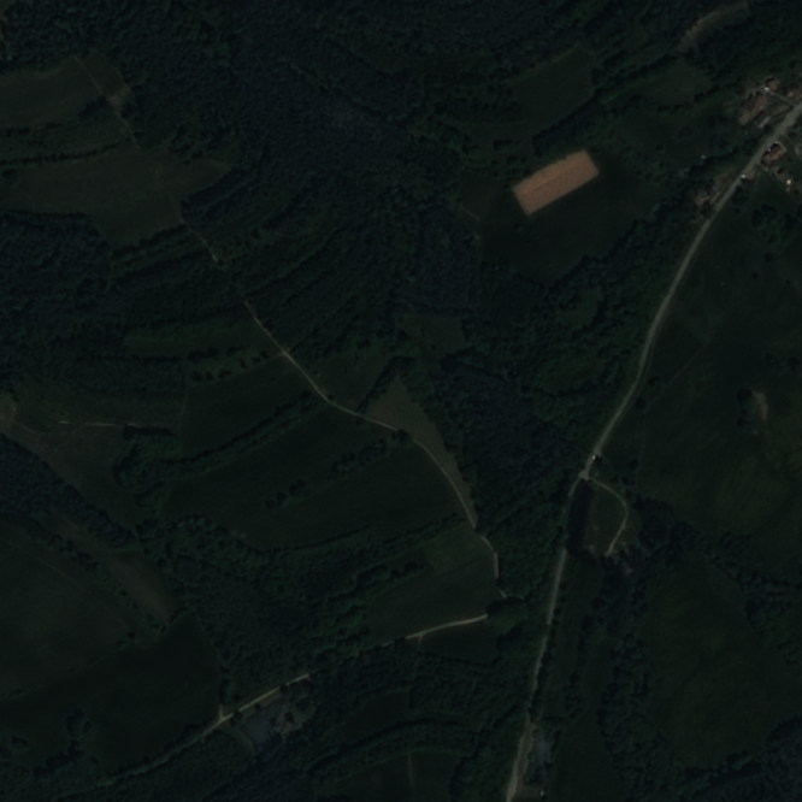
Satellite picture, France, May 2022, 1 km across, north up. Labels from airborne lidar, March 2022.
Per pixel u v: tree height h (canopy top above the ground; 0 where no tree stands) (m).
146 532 15
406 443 16
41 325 16
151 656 0
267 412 0
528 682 20
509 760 18
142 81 22
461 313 25
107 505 0
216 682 0
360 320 15
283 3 25
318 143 25
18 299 23
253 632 21
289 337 9
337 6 19
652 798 20
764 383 0
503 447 17
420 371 20
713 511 0
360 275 10
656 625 0
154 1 22
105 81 0
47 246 23
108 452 0
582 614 0
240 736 0
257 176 25
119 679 0
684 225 22
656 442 0
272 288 8
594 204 0
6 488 25
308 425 0
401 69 6
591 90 0
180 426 0
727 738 0
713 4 24
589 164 0
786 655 12
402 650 13
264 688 19
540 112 0
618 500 0
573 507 0
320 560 8
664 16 25
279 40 21
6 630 0
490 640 0
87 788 24
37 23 23
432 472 0
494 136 0
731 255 0
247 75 34
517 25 20
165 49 29
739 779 26
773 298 0
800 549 0
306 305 10
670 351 0
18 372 14
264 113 28
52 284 21
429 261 26
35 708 0
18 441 0
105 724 0
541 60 24
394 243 21
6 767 26
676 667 0
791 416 0
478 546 0
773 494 0
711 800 25
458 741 13
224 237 7
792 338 0
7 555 0
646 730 23
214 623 19
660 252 16
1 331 23
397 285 26
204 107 11
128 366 16
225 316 23
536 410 20
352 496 0
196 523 11
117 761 0
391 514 0
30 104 0
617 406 15
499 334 11
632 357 18
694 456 0
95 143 0
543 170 0
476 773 25
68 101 0
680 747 0
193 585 16
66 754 0
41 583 0
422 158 14
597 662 0
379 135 30
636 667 20
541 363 13
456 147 13
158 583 0
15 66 17
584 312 0
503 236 0
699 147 0
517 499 20
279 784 28
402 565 0
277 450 0
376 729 0
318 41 22
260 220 7
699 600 0
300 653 15
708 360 0
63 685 0
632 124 0
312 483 0
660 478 0
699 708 0
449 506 0
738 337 0
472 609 0
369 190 19
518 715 19
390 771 0
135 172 0
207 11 28
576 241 0
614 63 14
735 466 0
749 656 0
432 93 14
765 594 14
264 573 9
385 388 11
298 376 0
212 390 0
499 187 0
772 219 14
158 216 0
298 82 31
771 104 0
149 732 0
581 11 16
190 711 0
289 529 0
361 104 7
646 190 0
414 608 0
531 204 0
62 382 15
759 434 0
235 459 6
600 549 0
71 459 0
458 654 0
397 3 17
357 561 13
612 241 0
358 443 0
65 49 17
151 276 21
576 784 0
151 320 10
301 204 15
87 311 24
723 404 0
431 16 23
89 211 0
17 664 0
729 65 14
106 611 0
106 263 18
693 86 0
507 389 30
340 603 18
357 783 0
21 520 19
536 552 14
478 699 9
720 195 0
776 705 0
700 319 0
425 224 30
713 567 0
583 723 0
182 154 12
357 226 8
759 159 0
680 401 0
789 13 15
